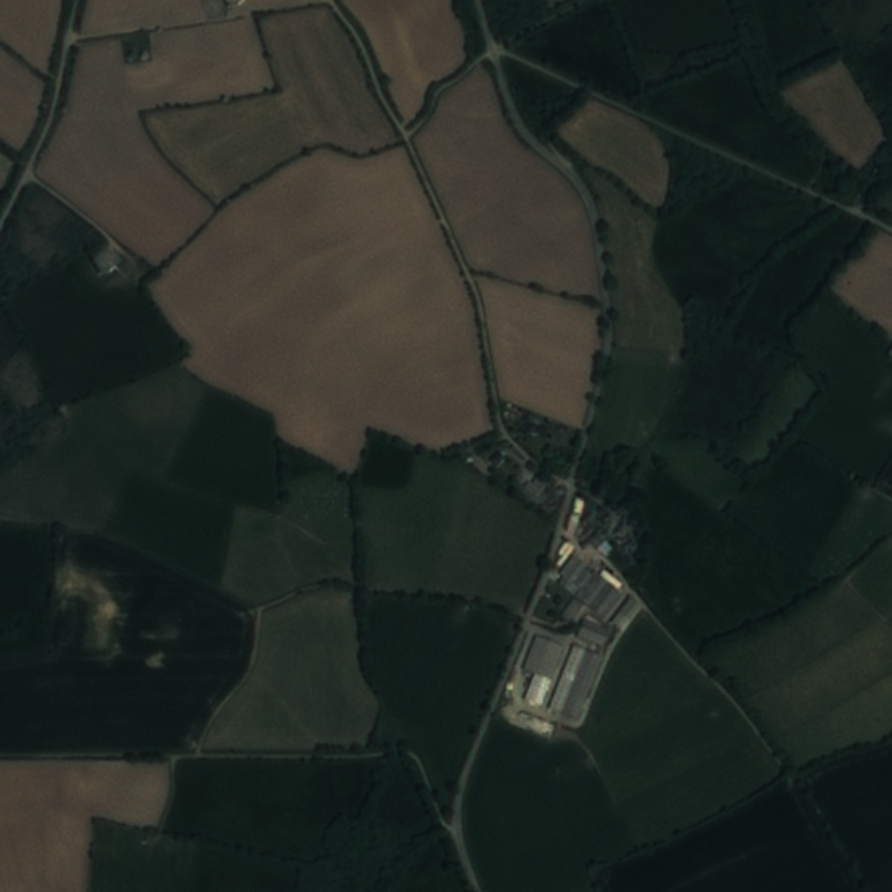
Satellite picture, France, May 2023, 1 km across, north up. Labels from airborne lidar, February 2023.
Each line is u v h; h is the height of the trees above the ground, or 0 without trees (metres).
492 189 0
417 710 0
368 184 0
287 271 0
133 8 0
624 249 0
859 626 0
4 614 0
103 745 0
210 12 0
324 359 0
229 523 0
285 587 0
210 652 0
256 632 0
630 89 0
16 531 0
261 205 0
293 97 0
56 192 0
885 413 0
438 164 0
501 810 0
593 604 0
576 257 0
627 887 0
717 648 10
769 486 0
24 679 0
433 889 0
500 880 0
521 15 8
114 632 0
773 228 0
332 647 0
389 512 0
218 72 0
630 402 0
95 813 0
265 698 0
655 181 0
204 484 0
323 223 0
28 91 0
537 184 0
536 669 0
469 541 0
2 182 0
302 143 0
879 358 0
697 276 0
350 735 0
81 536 0
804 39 0
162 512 0
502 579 0
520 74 0
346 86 0
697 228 0
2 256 7
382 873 13
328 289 0
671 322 0
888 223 12
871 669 0
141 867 0
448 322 0
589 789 0
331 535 0
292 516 0
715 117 0
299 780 0
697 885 0
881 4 0
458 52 0
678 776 0
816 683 0
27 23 0
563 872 0
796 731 0
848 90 0
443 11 0
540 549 0
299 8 0
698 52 6
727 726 0
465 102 0
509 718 0
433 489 0
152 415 0
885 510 0
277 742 0
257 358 0
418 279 0
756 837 0
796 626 0
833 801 0
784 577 0
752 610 0
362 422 0
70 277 0
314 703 0
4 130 0
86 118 0
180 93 0
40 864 0
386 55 0
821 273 0
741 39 11
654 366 0
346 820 6
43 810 0
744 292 6
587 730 0
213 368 0
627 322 0
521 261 0
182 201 0
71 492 0
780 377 0
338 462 0
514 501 13
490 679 0
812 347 0
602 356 13
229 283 0
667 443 0
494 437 10
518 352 0
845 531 0
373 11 0
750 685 0
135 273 0
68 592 0
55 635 0
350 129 0
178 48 0
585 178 0
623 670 0
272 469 0
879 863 0
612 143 0
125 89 0
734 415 0
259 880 0
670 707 0
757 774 0
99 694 0
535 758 0
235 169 0
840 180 14
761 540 8
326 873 10
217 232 0
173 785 0
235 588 0
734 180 6
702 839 0
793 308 0
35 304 0
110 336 0
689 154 9
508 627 0
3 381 0
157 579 0
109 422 0
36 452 8
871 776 0
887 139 14
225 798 0
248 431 0
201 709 0
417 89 0
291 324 0
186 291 0
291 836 0
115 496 0
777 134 0
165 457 0
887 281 0
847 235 0
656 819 0
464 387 0
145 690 0
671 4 0
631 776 0
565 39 0
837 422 0
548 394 0
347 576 0
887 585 0
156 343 0
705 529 0
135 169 0
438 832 14
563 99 6
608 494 0
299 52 0
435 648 0
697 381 0
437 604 9
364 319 0
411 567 0
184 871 0
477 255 0
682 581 0
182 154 0
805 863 0
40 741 0
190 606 0
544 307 0
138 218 0
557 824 0
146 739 0
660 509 0
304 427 0
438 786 0
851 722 0
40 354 0
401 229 0
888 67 0
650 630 0
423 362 0
